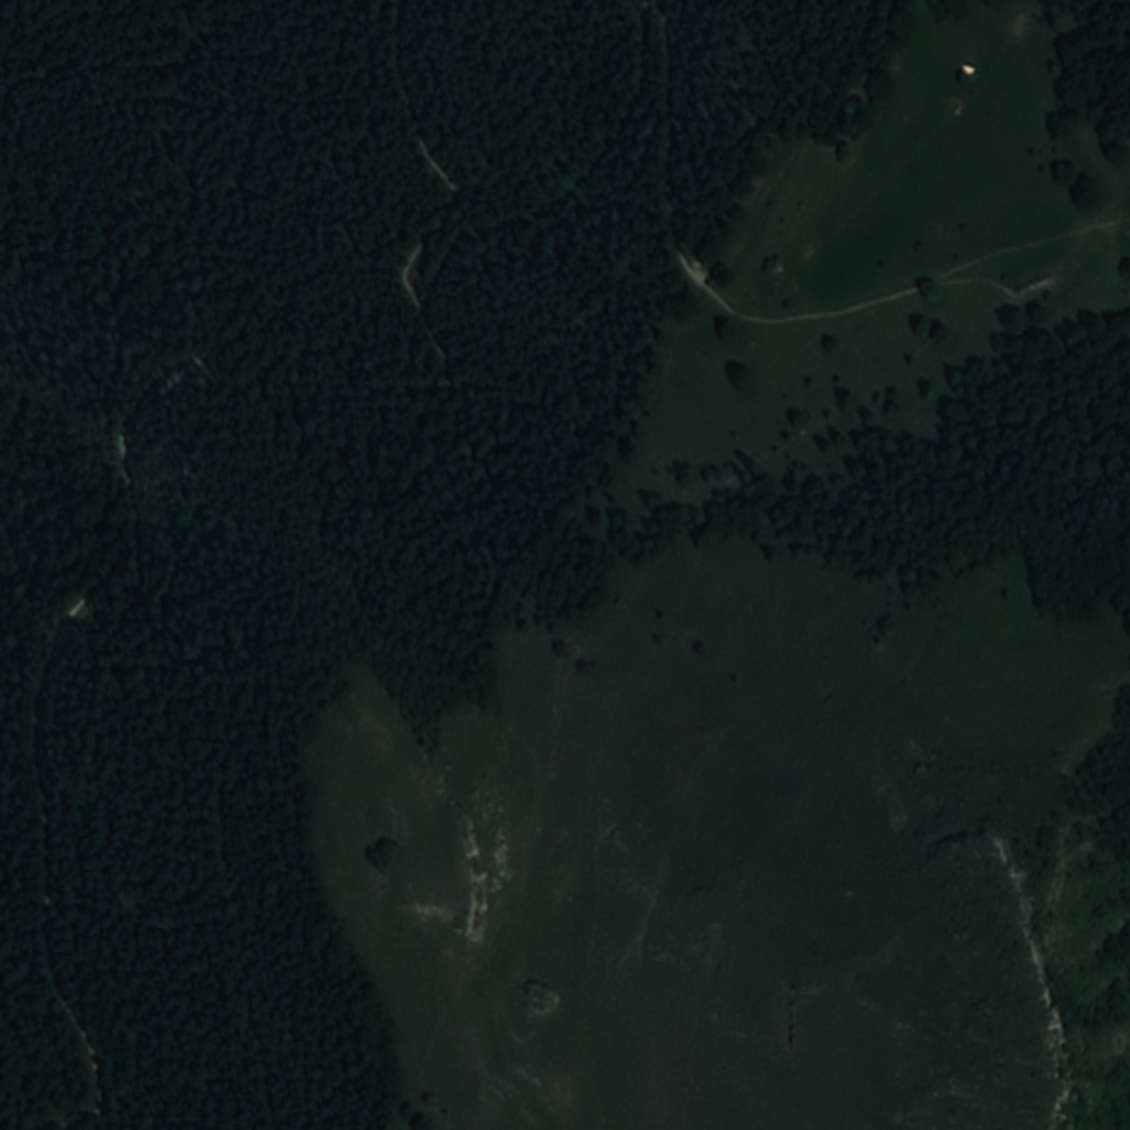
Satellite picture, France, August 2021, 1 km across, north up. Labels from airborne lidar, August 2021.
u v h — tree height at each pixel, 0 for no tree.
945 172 0
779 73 18
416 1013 0
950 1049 0
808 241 0
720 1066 0
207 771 17
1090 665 0
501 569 15
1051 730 0
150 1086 11
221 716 13
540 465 18
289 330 13
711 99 8
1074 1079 7
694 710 0
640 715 0
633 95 24
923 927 0
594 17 35
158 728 25
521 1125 0
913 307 0
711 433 0
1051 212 0
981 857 0
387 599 24
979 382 17
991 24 0
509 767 0
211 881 19
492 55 29
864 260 0
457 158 25
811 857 0
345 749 0
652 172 26
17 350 21
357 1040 12
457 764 0
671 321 25
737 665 0
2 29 26
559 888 0
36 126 16
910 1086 0
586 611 17
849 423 0
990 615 0
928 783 0
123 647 13
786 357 0
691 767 0
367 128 13
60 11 24
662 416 0
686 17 10
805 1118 0
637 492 0
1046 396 24
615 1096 0
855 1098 0
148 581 19
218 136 22
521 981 0
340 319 19
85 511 29
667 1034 0
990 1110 0
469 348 19
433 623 20
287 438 26
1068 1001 8
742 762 0
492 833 0
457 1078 0
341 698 15
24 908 23
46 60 25
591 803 0
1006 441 19
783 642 0
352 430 22
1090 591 19
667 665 0
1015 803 0
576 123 21
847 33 17
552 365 26
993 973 0
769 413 0
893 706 0
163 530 6
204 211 26
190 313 24
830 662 0
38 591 12
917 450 14
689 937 0
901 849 0
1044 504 22
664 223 17
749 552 0
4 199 24
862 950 0
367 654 14
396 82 23
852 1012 0
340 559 17
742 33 14
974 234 0
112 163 18
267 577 24
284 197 29
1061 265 0
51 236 16
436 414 9
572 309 27
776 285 0
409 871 0
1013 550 16
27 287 10
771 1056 0
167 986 13
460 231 15
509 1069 0
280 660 17
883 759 0
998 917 0
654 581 0
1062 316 0
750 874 0
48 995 25
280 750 17
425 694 17
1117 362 23
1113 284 0
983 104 0
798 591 0
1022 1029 0
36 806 14
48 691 7
